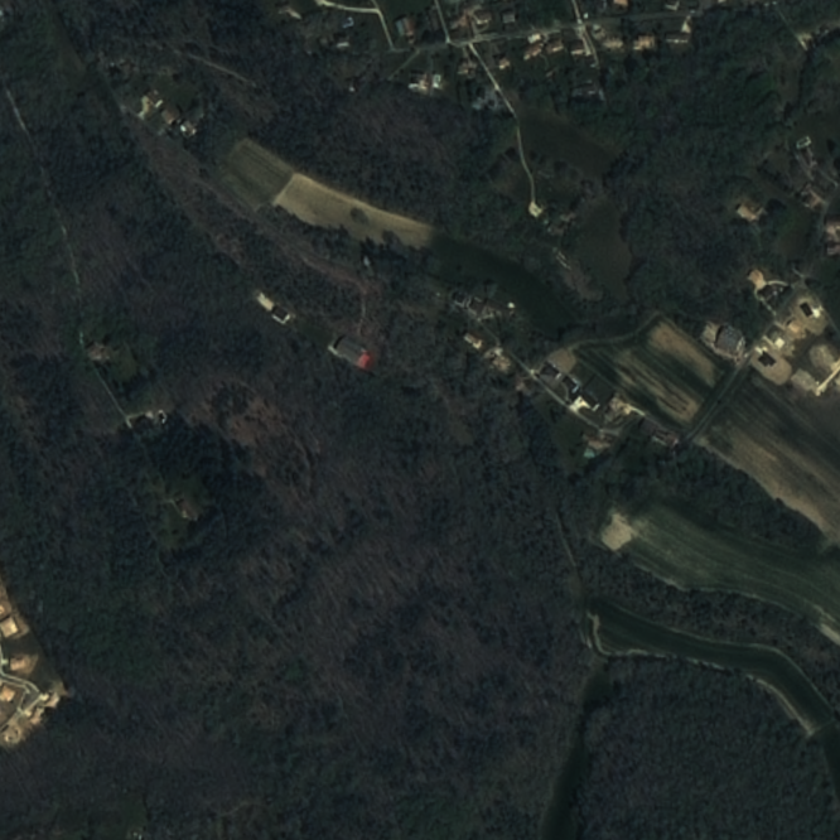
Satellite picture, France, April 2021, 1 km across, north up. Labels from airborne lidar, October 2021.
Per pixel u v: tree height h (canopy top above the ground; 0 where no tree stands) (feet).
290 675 46
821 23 78
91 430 59
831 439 0
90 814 38
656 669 58
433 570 53
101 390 51
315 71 65
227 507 98
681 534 0
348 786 47
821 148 0
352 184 28
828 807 55
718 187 72
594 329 38
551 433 59
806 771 62
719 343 0
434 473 32
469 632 46
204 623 78
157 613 68
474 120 43
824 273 0
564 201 0
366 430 56
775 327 0
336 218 0
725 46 81
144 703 62
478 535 54
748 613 20
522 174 0
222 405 37
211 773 38
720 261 87
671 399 0
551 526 45
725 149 70
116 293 61
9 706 0
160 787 39
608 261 0
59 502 52
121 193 72
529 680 46
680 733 49
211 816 39
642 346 0
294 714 51
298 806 83
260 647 64
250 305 67
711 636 45
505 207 59
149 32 61
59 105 79
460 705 72
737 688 61
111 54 53
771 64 50
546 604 54
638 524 0
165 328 62
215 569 75
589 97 31
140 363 36
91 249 54
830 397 0
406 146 52
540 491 29
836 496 0
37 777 47
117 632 54
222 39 73
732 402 0
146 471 79
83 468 51
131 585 77
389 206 45
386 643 52
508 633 44
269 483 40
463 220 68
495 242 88
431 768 49
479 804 54
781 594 0
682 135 53
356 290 35
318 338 0
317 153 33
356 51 31
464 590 39
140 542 82
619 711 32
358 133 59
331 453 64
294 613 59
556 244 19
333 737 76
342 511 63
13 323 53
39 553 55
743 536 57
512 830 60
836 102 41
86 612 74
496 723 46
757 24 69
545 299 0
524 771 65
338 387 31
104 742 40
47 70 66
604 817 45
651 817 50
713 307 77
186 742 56
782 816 60
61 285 63
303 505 39
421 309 66
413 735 59
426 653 44
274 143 51
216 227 23
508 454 53
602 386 0
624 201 48
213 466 77
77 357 54
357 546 53
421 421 40
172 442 77
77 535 46
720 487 58
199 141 48
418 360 60
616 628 0
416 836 66
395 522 75
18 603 68
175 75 56
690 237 79
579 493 69
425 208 39
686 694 68
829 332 0
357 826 66
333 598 39
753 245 81
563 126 0
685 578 0
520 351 24
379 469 45
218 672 53
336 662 35
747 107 58
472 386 59
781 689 0
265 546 68
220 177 0
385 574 46
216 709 52
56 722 55
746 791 49
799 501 0
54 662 54
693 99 58
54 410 70
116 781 37
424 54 0
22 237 53
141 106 0
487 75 39
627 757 37
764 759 48
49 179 84
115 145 45
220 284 79
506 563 71
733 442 0
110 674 79
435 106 67
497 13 26
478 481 48
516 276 0
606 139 78
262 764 55
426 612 40
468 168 74
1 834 30
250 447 35
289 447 34
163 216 95
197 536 73
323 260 27
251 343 65
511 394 33
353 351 0
